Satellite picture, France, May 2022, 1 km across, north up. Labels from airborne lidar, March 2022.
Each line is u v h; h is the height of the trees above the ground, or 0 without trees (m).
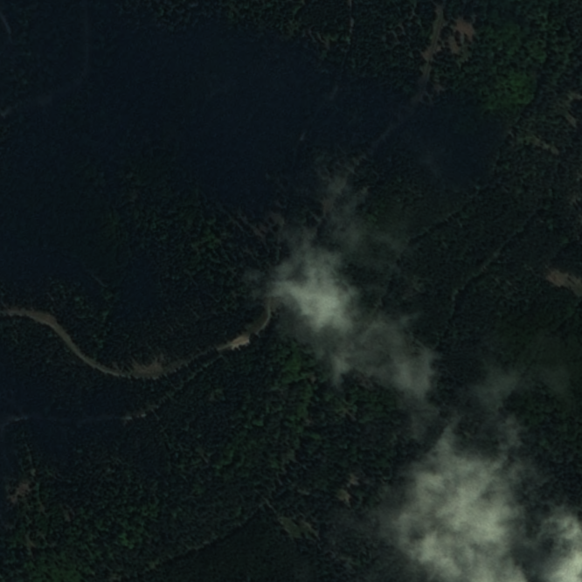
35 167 21
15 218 17
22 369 14
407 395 26
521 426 25
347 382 35
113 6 27
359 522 31
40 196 19
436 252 19
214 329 15
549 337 16
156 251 19
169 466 16
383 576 29
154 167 21
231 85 32
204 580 16
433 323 21
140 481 21
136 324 16
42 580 25
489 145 24
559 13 21
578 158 29
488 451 35
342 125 13
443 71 10
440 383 32
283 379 27
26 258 13
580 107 30
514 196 26
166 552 15
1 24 13
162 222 8
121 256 21
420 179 21
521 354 16
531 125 28
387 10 10
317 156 10
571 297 17
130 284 13
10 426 9
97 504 23
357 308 17
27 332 15
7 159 21
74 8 25
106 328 12
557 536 41
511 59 24
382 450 33
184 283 22
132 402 20
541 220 25
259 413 24
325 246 15
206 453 14
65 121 26
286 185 18
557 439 30
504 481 33
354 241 18
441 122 11
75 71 25
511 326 21
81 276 11
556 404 13
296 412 25
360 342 18
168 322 16
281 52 35
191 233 19
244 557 22
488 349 22
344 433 29
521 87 17
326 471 13
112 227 19
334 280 28
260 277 14
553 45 29
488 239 21
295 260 21
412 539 30
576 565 20
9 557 22
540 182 29
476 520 34
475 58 11
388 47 11
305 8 12
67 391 22
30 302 17
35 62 32
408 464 38
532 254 25
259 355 15
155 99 36
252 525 20
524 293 8
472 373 24
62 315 17
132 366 19
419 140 17
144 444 15
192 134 33
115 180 14
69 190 22
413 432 38
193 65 33
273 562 22
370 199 17
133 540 17
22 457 9
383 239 19
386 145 16
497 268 19
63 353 20
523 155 30
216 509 32
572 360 17
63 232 21
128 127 23
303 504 24
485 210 27
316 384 9
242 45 34
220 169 33
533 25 31
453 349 22
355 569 31
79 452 14
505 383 15
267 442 14
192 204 10
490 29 17
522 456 32
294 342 27
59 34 27
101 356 9
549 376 16
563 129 25
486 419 33
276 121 29
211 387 15
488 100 27
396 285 23
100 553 25
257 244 31
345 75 16
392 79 13
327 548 30
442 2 20
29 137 21
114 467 15
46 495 13
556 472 33
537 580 38
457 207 19
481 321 22
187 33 33
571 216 27
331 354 16
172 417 14
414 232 17
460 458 36
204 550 17
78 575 21
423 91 0
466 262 15
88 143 13
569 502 28
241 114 34
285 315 16
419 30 11
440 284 25
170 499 12
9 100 19
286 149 12
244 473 24
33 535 9
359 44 13
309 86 33
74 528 16
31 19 12
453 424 35
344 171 14
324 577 26
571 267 30
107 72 14
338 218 15
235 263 27
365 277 21
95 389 12
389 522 24
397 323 17
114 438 17
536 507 35
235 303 13
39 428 12
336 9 14
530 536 30
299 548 19
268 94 32
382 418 33
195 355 15
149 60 35
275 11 14
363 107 15
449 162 20
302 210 13
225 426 21
